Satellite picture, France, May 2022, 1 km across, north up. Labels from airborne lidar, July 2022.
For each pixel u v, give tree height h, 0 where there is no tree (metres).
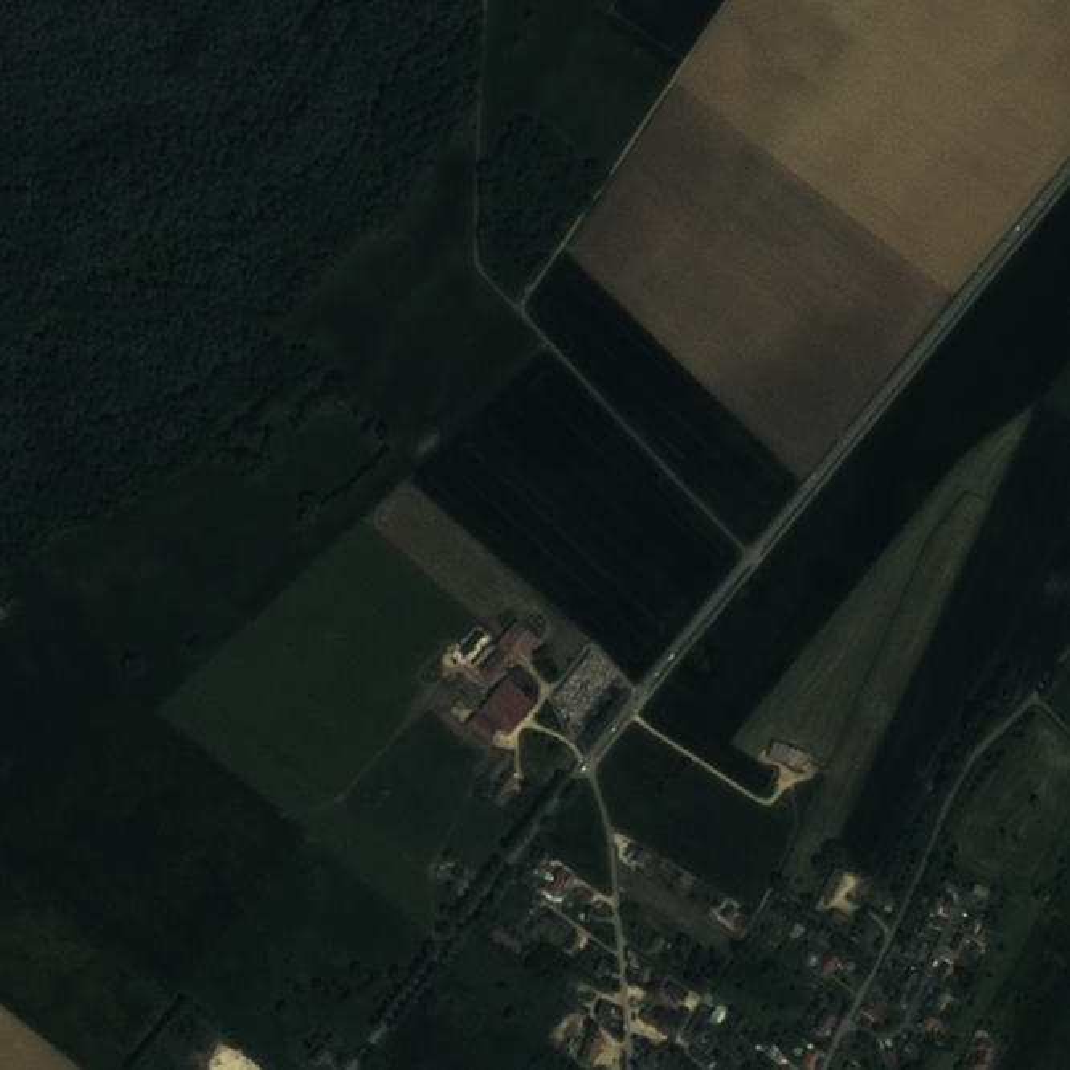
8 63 21
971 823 0
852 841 0
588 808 0
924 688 0
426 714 0
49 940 0
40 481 21
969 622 0
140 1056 12
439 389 0
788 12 0
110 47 18
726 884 0
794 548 0
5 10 21
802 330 0
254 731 0
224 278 14
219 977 0
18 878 0
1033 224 0
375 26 25
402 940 0
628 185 0
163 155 13
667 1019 10
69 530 14
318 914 0
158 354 15
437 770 0
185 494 0
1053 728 0
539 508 0
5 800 0
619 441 0
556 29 0
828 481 0
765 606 0
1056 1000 0
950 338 0
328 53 13
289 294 23
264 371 16
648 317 0
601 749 0
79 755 0
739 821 0
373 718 0
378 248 0
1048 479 0
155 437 21
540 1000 0
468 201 0
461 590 0
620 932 0
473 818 0
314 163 15
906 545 0
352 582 0
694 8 0
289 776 0
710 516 0
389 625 0
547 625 0
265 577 0
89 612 0
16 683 0
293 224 23
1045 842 0
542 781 0
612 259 0
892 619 0
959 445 0
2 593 18
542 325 0
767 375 0
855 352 0
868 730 0
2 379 16
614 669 0
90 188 13
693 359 0
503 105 0
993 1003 0
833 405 0
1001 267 0
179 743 0
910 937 7
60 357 13
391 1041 0
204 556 0
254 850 0
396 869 0
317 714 0
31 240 16
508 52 0
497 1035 0
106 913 0
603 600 0
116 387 16
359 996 12
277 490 0
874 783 0
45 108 24
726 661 0
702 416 0
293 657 0
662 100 0
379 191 24
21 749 0
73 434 16
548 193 14
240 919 0
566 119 0
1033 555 0
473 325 0
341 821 0
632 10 0
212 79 24
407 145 16
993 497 0
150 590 0
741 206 0
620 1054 0
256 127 9
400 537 0
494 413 0
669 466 0
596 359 0
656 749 0
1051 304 0
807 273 0
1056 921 6
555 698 0
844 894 0
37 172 13
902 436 0
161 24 21
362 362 0
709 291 0
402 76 25
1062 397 0
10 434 18
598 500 0
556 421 0
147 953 0
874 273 0
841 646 0
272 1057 0
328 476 0
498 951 7
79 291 19
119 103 18
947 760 15
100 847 0
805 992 0
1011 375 0
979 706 12
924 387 0
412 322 0
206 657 0
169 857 0
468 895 13
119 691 0
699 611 0
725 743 0
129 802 0
